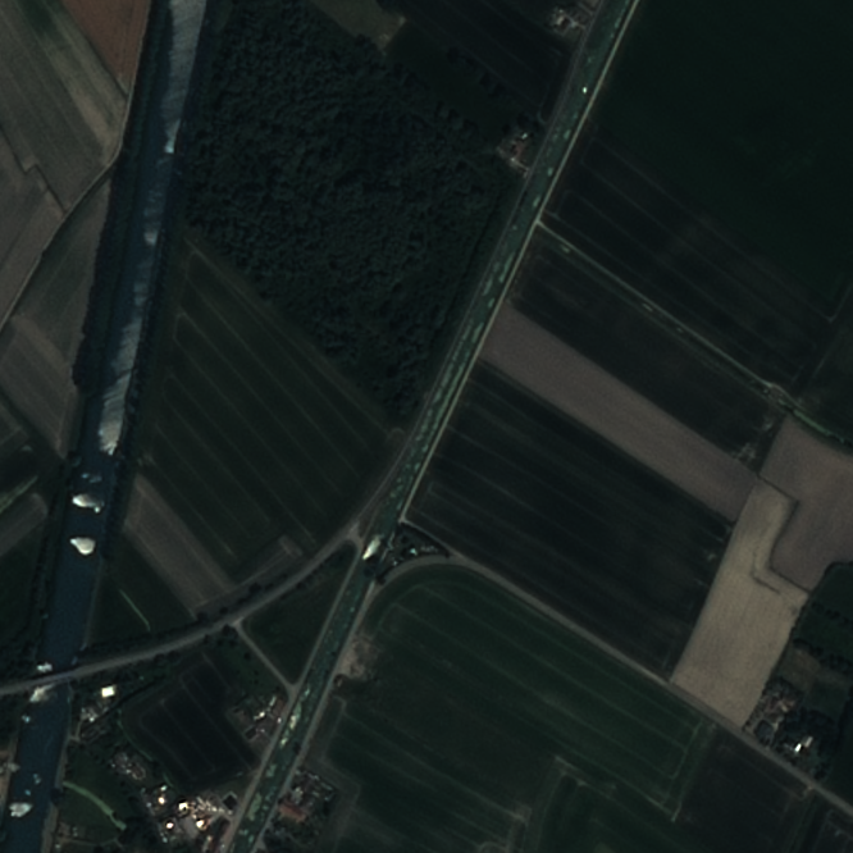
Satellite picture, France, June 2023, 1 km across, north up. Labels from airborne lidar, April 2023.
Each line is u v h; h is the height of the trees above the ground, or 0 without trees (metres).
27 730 0
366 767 0
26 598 0
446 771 0
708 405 0
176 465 0
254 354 0
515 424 0
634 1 0
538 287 0
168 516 0
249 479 0
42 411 0
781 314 0
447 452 0
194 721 0
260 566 0
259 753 0
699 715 0
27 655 14
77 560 0
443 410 0
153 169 0
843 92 0
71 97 0
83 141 0
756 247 0
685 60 0
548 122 0
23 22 0
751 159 0
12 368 0
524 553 0
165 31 0
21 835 0
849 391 0
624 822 0
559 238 0
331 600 0
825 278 0
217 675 0
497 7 0
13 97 0
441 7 0
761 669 0
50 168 0
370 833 0
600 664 0
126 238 0
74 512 0
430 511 0
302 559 0
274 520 0
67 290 0
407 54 0
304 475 0
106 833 0
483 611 0
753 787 0
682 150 0
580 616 0
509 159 0
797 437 0
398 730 0
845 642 0
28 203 0
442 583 0
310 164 13
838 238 0
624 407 0
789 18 0
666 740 0
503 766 0
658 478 0
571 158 0
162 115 0
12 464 0
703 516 0
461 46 0
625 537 0
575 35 0
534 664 0
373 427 0
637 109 0
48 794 0
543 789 0
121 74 0
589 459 0
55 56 0
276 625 0
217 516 0
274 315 0
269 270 7
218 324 0
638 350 0
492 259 0
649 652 0
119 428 0
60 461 0
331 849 0
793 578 0
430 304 5
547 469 0
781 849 0
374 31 0
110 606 0
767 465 0
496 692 0
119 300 0
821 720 16
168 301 0
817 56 0
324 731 0
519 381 0
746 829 0
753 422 0
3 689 0
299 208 21
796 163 0
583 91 0
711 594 0
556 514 0
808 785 0
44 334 0
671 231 0
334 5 0
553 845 0
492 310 0
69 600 0
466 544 0
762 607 0
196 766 0
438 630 0
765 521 0
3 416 0
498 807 0
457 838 0
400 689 0
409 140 17
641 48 0
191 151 16
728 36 0
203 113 6
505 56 0
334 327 12
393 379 11
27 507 0
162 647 0
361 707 0
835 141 0
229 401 0
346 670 0
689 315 0
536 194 0
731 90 0
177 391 0
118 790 0
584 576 0
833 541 0
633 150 0
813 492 0
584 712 0
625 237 0
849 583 0
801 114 0
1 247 0
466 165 6
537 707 0
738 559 0
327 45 0
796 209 0
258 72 6
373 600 0
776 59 0
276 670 0
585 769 0
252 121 16
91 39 0
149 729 0
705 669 0
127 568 0
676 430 0
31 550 0
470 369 0
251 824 0
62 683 0
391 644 0
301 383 0
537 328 0
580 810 0
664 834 0
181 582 0
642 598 0
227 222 19
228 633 14
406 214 7
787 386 0
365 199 17
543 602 0
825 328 0
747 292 0
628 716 0
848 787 0
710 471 0
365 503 0
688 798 0
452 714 0
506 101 17
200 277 0
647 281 0
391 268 20
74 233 0
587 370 0
